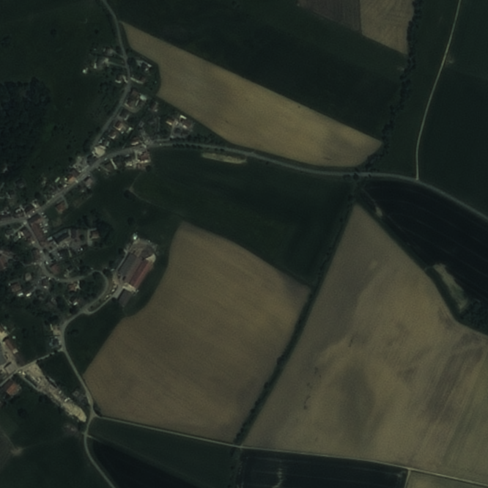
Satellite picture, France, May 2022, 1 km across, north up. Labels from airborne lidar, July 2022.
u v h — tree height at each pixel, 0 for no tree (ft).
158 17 0
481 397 0
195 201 0
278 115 0
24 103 85
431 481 0
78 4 0
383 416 0
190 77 0
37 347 0
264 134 0
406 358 0
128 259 0
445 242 0
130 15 0
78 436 0
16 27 0
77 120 0
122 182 0
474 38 0
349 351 0
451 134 0
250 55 0
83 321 0
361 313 0
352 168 0
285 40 0
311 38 0
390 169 0
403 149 0
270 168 0
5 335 0
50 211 0
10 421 0
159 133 24
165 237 0
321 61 0
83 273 58
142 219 0
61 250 21
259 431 0
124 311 0
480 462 0
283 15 0
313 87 0
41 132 51
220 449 0
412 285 0
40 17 0
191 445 0
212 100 0
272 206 0
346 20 0
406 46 0
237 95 0
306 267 0
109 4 18
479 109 0
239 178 0
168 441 0
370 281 0
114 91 38
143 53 0
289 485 0
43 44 0
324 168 0
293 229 0
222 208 0
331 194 0
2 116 92
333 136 0
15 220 0
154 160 0
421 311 0
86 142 41
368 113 0
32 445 0
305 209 0
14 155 89
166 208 0
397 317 0
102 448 0
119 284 0
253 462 0
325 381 0
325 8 0
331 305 0
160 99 0
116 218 0
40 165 0
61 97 0
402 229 0
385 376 0
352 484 0
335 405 0
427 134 0
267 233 0
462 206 0
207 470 0
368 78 0
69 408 0
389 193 0
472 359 0
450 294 0
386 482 0
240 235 0
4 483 0
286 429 0
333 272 0
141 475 0
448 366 0
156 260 0
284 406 0
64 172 23
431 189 0
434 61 0
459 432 0
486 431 0
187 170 0
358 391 0
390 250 0
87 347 0
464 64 0
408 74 41
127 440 0
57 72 0
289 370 0
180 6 0
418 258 0
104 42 0
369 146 0
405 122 0
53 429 0
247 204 0
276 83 0
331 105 0
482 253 0
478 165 0
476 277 0
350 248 0
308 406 0
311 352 0
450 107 0
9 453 0
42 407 0
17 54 0
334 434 0
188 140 41
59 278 0
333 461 0
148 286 0
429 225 0
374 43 0
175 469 0
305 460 0
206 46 0
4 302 65
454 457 0
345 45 0
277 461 0
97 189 0
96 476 0
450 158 0
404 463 0
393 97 0
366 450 0
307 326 0
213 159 0
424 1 42
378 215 0
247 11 0
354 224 0
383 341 0
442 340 0
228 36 0
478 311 27
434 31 0
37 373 0
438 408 0
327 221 0
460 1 0
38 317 28
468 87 0
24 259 26
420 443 0
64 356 0
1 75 0
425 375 0
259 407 50
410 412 0
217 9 0
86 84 0
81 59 0
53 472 0
